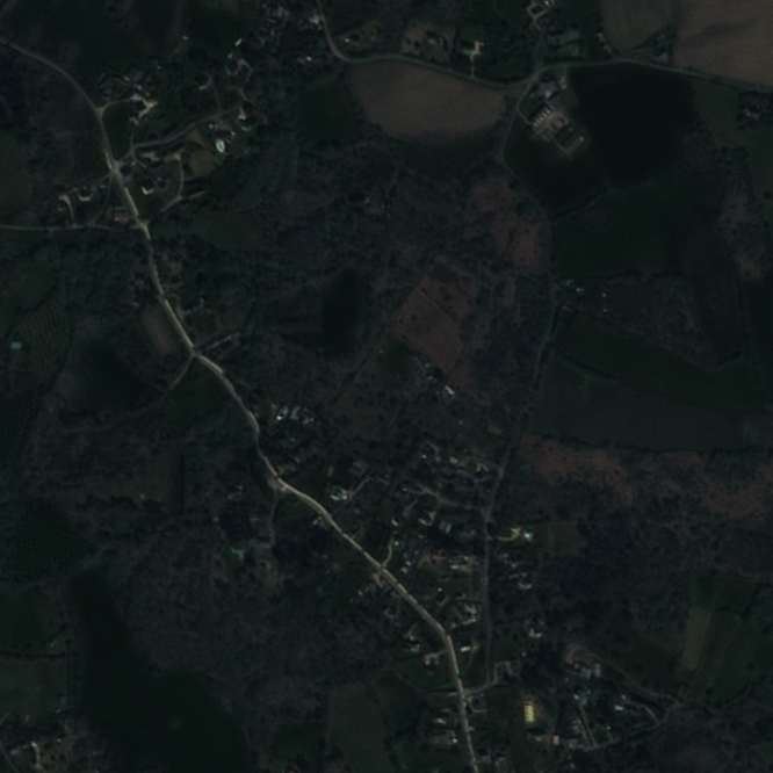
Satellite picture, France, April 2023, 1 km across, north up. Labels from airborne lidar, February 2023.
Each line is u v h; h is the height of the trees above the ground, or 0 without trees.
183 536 11
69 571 12
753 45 0
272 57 16
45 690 0
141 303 12
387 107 0
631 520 13
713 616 0
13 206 0
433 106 0
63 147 0
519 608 8
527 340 9
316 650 17
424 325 0
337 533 6
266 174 16
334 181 11
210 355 8
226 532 17
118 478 10
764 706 10
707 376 0
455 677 0
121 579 7
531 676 17
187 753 0
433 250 11
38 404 7
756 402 0
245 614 17
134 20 0
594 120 0
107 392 0
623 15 0
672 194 0
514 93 0
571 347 0
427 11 9
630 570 19
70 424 13
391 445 11
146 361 9
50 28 0
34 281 0
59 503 15
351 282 0
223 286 16
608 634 9
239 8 0
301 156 12
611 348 0
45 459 10
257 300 13
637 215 0
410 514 0
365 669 14
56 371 12
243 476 15
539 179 0
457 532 7
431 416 0
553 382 0
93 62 0
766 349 0
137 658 0
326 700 11
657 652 0
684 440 0
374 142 14
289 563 6
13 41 6
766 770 10
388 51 12
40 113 7
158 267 16
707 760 0
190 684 0
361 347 10
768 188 0
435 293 0
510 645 0
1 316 0
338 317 0
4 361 6
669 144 0
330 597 7
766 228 7
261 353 15
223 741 0
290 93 12
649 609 5
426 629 15
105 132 0
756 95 8
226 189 0
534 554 0
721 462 8
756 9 0
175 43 0
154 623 12
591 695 6
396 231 12
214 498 9
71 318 13
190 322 12
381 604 0
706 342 9
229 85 10
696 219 0
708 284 0
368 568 9
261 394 15
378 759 0
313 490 0
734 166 5
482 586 0
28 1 0
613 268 0
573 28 6
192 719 0
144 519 0
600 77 0
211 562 7
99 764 9
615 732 15
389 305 6
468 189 13
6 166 0
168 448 11
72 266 8
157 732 0
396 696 0
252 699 13
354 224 14
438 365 0
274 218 9
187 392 0
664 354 0
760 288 0
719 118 0
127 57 0
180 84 10
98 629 0
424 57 8
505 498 6
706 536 11
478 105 0
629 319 6
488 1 0
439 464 8
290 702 13
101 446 0
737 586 0
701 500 7
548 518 7
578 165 0
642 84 0
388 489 10
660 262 0
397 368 0
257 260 9
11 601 0
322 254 18
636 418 0
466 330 13
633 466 10
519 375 6
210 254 15
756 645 0
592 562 15
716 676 0
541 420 0
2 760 6
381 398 5
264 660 9
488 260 7
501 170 12
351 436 9
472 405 7
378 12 14
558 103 0
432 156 0
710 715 9
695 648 0
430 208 7
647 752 13
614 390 0
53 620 0
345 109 0
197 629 16
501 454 13
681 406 0
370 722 0
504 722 0
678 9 0
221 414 11
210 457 28
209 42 0
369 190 9
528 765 0
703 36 0
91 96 0
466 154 0
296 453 8
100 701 0
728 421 0
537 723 0
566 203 0
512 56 6
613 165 0
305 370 13
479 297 7
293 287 15
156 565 14
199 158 0
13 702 0
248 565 10
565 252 0
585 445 7
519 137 0
